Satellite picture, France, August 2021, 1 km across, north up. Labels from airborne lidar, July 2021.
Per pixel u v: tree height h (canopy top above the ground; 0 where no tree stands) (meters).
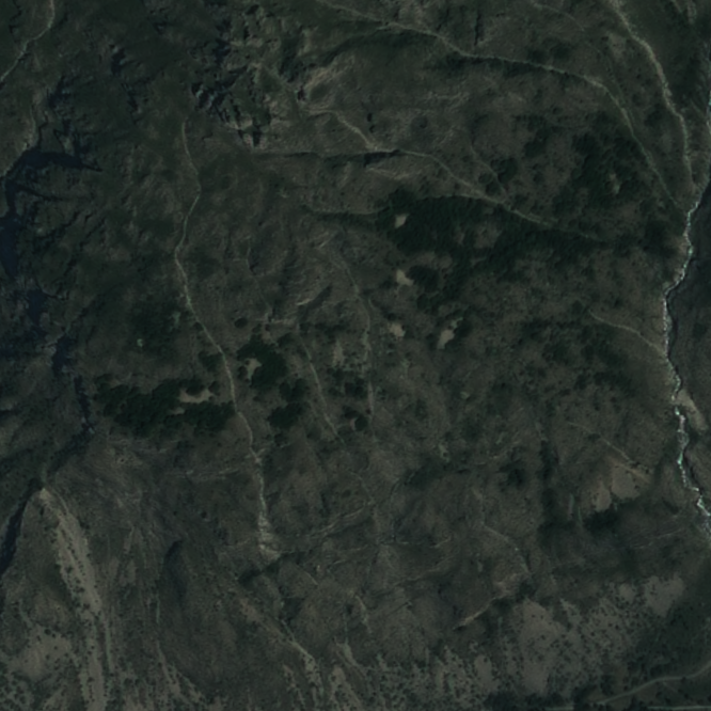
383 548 0
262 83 0
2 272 0
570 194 6
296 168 0
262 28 0
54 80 0
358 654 0
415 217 9
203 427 15
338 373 7
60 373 9
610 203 6
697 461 0
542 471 15
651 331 0
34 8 0
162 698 0
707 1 0
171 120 0
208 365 11
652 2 0
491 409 5
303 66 0
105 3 0
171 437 6
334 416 0
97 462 0
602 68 0
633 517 0
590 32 0
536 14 0
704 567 0
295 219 0
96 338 0
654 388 0
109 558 0
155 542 0
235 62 0
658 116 7
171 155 0
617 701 0
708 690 0
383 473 0
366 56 0
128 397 9
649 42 0
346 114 0
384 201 7
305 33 0
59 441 0
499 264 12
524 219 6
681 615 7
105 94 0
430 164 0
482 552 0
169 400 11
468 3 0
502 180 18
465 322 9
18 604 7
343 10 0
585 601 0
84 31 0
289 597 23
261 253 0
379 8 0
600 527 8
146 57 0
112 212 0
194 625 0
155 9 0
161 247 0
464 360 0
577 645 0
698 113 0
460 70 6
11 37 0
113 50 0
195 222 0
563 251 7
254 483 0
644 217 6
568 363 10
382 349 0
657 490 0
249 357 10
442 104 0
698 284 0
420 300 7
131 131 0
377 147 0
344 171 0
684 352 0
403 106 0
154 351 5
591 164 22
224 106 0
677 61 0
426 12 0
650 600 0
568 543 0
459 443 0
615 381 7
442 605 0
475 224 9
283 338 8
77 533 0
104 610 0
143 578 0
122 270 0
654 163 0
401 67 0
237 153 0
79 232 0
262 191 0
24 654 0
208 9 0
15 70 0
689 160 0
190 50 0
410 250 11
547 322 10
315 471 0
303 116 0
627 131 0
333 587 0
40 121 0
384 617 0
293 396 10
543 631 0
